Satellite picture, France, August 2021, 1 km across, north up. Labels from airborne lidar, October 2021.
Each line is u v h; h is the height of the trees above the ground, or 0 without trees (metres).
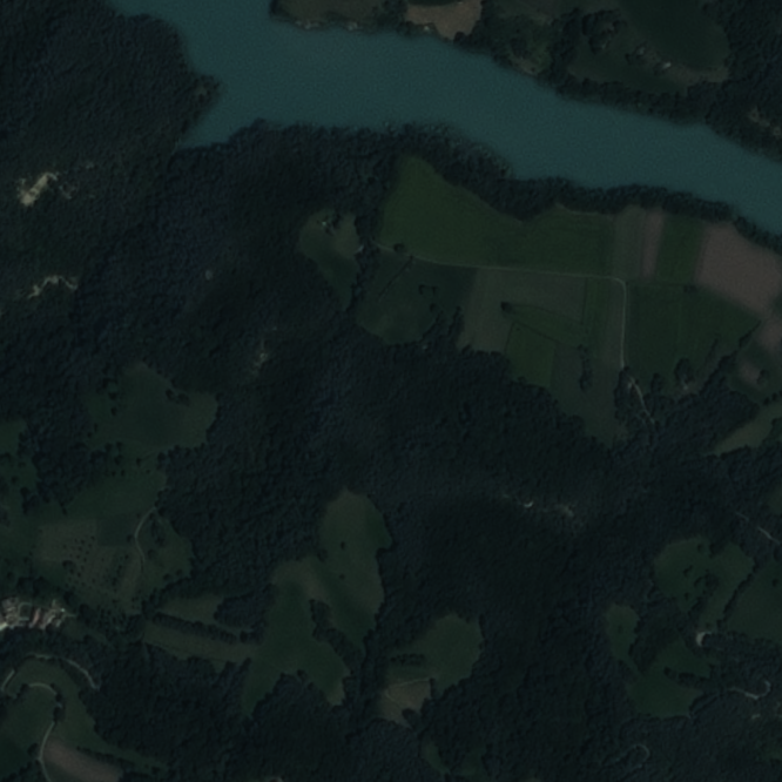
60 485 25
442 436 20
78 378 25
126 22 22
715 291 0
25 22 21
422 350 16
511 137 0
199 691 20
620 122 0
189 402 12
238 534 20
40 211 19
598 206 12
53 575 0
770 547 15
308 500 19
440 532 33
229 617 21
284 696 22
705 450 15
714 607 0
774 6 12
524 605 25
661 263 0
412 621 26
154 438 0
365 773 18
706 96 17
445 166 12
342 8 0
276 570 16
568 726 24
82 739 0
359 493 9
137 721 26
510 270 0
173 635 0
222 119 0
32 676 0
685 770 16
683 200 19
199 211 15
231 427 22
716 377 12
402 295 0
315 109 0
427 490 13
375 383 18
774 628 0
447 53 0
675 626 6
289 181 19
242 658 0
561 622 34
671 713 0
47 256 18
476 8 0
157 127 16
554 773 18
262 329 11
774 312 0
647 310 0
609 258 0
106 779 0
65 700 14
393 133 13
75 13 20
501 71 0
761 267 0
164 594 15
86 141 15
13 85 19
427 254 0
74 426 23
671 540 10
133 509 0
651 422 8
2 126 18
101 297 17
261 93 0
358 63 0
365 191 16
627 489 18
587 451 22
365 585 0
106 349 21
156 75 21
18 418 22
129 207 21
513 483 18
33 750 12
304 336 11
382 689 17
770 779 16
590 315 0
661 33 0
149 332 29
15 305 13
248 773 23
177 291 11
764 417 0
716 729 18
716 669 13
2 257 18
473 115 0
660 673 0
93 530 0
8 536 0
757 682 17
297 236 13
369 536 0
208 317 24
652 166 0
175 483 13
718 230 0
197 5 0
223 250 10
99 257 21
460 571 22
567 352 0
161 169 26
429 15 0
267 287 20
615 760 16
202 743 30
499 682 29
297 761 22
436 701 11
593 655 26
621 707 17
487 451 23
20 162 14
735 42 11
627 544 12
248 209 22
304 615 0
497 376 17
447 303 0
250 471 8
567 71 8
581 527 10
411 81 0
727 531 9
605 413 0
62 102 14
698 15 0
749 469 22
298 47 0
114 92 15
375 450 24
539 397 14
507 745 21
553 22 8
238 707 23
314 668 0
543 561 23
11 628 0
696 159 0
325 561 16
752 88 15
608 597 16
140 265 15
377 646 27
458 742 20
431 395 22
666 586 0
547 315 0
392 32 0
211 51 0
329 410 21
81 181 12
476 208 0
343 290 0
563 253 0
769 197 0
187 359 28
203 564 25
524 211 12
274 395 23
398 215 0
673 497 15
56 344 26
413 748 18
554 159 0
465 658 0
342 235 0
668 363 0
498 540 25
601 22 13
